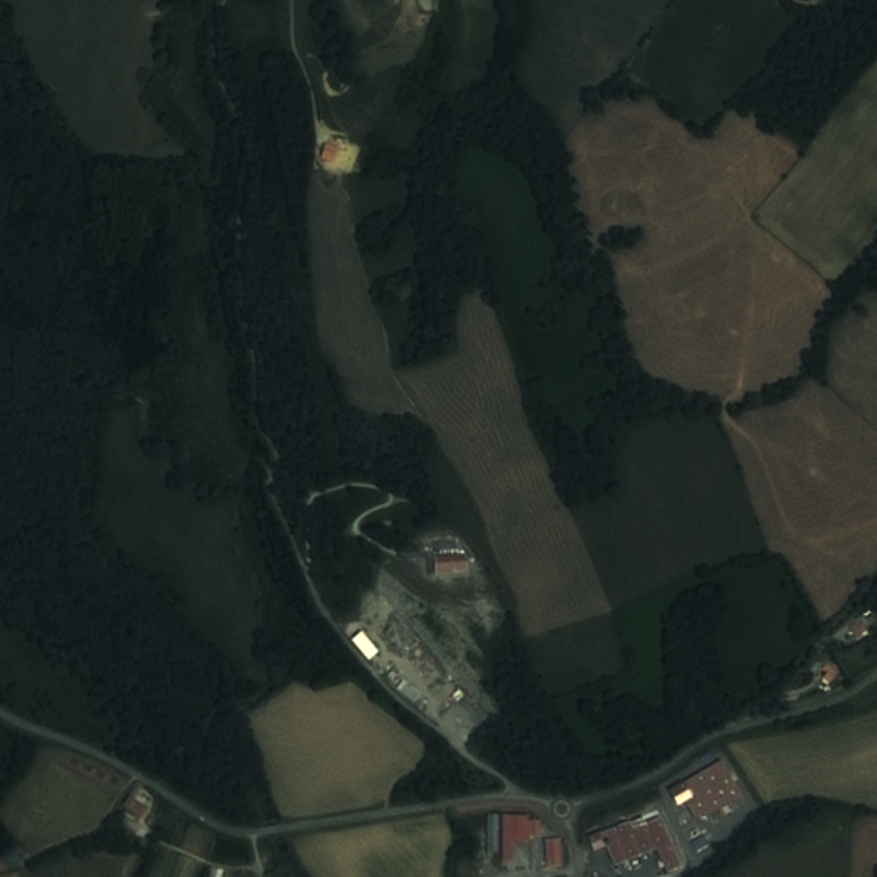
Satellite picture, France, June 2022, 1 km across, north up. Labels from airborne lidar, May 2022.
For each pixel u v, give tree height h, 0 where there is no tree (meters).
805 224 0
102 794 0
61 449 22
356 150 0
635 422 13
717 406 19
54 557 23
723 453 0
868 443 0
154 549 0
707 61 0
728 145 0
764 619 0
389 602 0
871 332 0
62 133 15
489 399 0
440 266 24
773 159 0
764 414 0
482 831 0
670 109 16
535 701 18
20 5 0
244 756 29
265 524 16
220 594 0
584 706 18
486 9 0
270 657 14
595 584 0
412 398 0
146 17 0
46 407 19
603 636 0
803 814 20
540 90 0
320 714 0
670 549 0
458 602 0
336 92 0
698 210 0
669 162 0
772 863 0
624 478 0
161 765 28
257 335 17
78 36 0
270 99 16
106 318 20
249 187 18
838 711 12
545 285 9
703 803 0
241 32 0
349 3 0
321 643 6
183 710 26
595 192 0
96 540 14
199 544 0
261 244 24
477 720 0
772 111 8
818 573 0
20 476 20
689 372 0
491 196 0
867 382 0
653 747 16
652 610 0
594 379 0
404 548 10
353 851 0
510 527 0
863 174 0
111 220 29
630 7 0
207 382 0
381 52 0
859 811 8
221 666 24
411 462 13
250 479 16
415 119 0
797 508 0
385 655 0
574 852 0
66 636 27
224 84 26
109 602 26
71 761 0
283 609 0
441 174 24
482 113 12
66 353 20
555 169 22
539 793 15
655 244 0
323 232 0
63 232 21
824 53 26
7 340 21
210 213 7
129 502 0
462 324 0
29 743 19
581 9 0
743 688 0
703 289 0
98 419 11
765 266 0
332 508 11
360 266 0
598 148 0
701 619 21
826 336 16
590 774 22
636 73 0
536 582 0
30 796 0
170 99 0
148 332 15
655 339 0
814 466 0
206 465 0
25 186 26
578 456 25
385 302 10
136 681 23
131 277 20
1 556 27
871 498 0
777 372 0
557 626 0
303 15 0
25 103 32
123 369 23
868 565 0
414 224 17
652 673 0
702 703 27
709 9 0
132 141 0
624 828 0
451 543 0
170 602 9
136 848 15
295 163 12
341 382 15
